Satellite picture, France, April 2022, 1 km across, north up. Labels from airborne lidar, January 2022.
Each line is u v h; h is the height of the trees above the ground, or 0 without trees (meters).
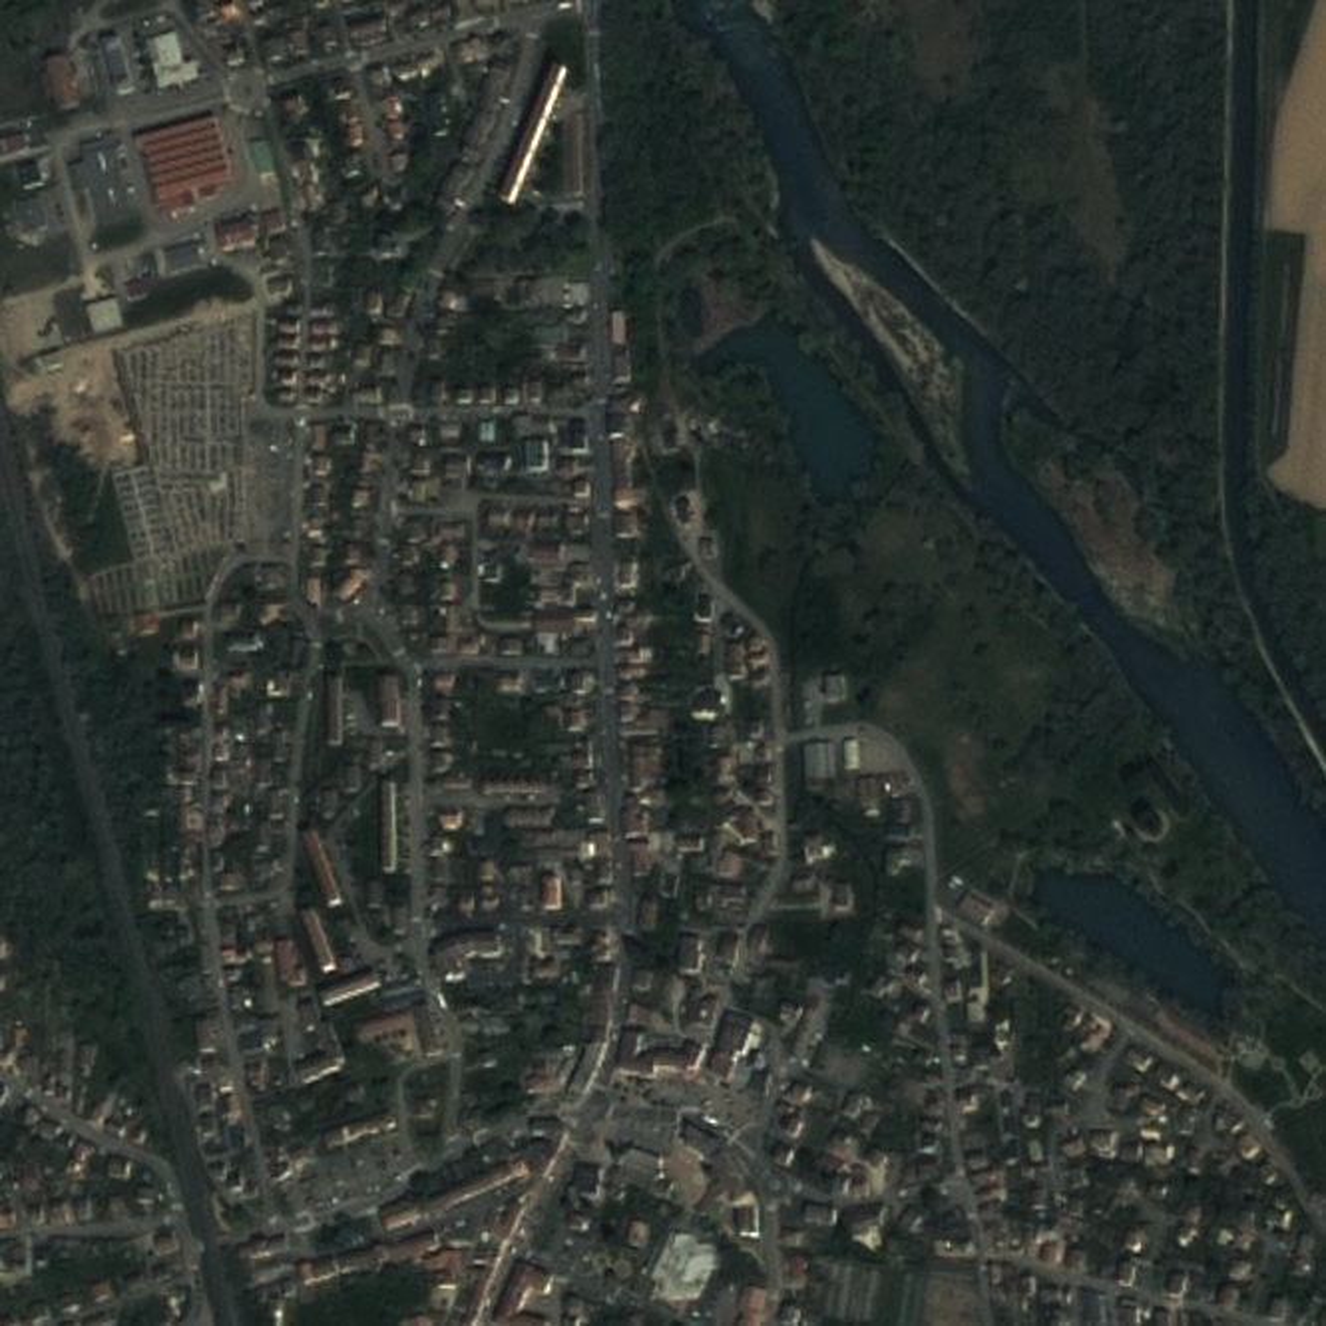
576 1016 6
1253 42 0
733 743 0
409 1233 0
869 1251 0
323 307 0
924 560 0
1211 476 27
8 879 10
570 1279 0
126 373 0
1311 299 0
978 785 0
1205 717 0
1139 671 0
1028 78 11
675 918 7
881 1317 0
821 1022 0
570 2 0
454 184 0
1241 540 0
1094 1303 0
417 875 0
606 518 0
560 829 7
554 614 0
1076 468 14
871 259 0
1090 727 17
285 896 0
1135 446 18
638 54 29
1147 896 13
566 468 0
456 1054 0
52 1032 0
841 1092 0
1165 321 8
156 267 0
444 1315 0
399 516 0
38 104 0
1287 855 0
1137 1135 0
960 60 0
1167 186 18
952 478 0
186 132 0
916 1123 0
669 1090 0
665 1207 7
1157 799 0
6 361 0
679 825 11
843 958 0
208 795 0
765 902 0
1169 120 8
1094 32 10
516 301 0
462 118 0
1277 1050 0
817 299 12
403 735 0
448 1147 0
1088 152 0
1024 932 0
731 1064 0
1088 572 0
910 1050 0
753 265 18
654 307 21
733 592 0
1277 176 0
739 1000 13
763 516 0
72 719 0
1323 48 0
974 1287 0
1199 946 16
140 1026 7
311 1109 6
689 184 17
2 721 16
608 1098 0
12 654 6
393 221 9
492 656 0
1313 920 0
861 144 15
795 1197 0
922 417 0
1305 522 16
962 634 0
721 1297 0
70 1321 0
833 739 0
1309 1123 0
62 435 0
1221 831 13
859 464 0
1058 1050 0
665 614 0
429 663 0
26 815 20
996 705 0
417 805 0
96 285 0
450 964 0
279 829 7
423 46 0
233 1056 0
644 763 0
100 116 0
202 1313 0
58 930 8
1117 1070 0
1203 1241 0
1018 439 0
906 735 0
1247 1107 0
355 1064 16
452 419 0
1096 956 15
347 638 0
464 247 0
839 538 0
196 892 0
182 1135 0
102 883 5
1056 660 0
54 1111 0
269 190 0
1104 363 18
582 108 0
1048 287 6
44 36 0
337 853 0
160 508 0
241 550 6
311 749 0
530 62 0
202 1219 0
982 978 7
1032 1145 0
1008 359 13
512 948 0
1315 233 0
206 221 0
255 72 0
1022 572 16
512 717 0
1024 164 0
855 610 0
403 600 7
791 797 0
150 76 10
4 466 0
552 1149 0
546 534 5
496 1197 0
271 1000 0
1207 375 21
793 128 0
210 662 0
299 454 0
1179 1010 19
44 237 0
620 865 0
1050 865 13
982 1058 0
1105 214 0
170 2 0
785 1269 0
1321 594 20
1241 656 14
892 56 16
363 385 0
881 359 0
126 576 0
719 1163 0
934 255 13
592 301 0
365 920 0
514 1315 0
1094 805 0
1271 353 0
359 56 0
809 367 0
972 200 18
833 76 13
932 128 6
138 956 0
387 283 16
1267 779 0
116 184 0
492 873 0
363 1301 0
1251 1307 11
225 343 0
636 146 23
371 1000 0
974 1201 0
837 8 18
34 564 0
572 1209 14
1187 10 19
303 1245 0
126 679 6
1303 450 0
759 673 0
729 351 0
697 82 15
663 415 18
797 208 0
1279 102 0
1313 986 17
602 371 0
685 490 9
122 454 0
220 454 0
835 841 10
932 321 0
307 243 0
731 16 0
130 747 9
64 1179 0
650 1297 0
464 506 0
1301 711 0
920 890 0
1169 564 13
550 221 7
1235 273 0
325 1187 0
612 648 0
